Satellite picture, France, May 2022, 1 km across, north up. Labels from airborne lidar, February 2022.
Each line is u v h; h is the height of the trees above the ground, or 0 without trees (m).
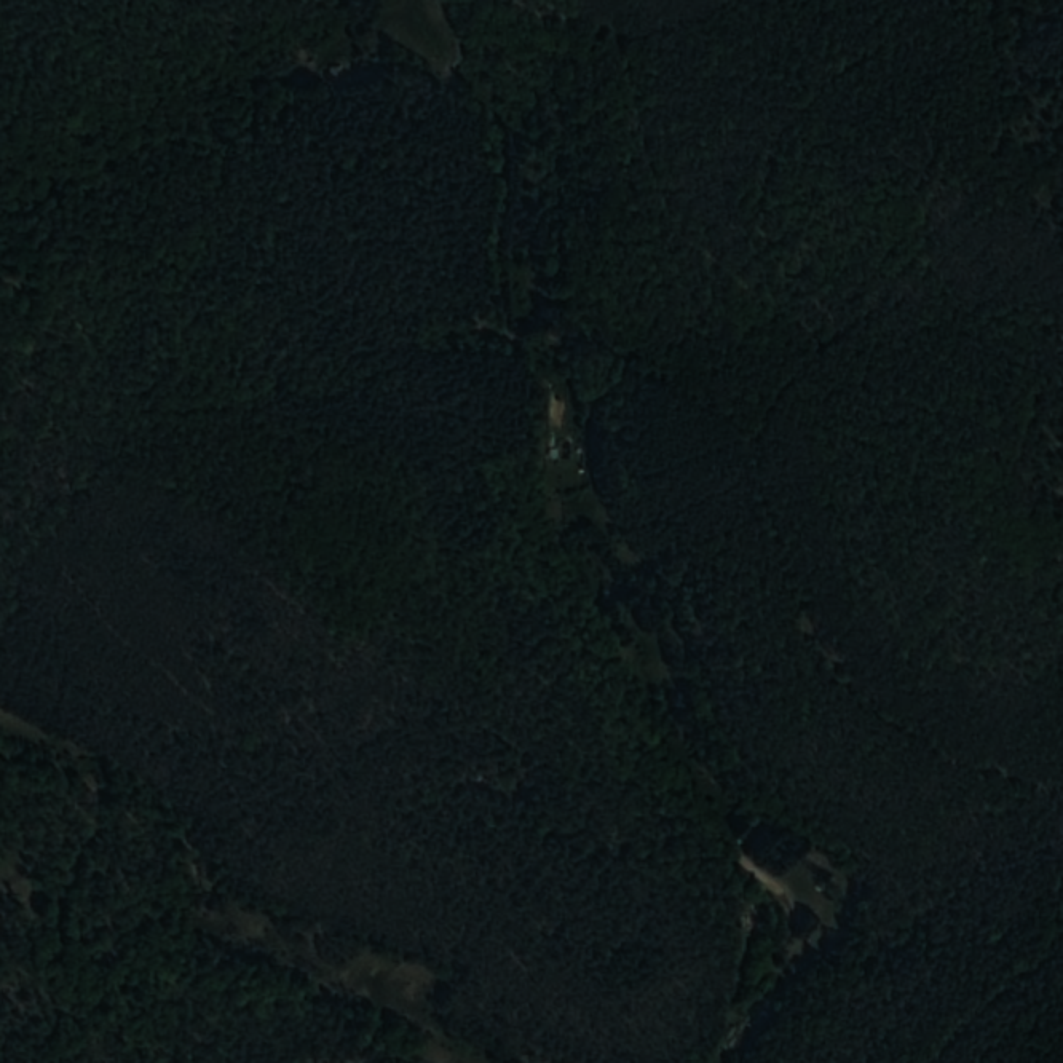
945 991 25
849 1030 25
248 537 26
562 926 29
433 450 28
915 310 26
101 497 23
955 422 19
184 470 23
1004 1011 24
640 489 27
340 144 27
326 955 13
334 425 26
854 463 21
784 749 27
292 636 19
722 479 29
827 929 0
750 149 25
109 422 27
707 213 21
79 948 26
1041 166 18
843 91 22
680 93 23
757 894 23
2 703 23
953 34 25
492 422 26
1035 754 15
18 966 26
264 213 31
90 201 32
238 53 32
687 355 27
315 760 22
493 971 23
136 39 28
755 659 24
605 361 20
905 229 18
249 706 17
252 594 23
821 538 21
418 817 26
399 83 23
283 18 30
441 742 32
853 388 25
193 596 18
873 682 19
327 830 24
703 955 25
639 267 22
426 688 29
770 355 28
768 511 18
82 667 17
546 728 27
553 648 30
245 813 13
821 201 17
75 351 25
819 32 22
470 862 25
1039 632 22
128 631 19
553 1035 25
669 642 26
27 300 22
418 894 25
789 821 31
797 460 21
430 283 31
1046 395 17
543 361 12
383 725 22
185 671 20
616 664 24
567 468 0
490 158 25
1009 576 25
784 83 25
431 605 27
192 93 30
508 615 30
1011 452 12
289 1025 27
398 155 27
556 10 21
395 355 27
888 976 29
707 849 28
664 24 21
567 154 17
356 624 24
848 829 29
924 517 28
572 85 22
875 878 26
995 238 16
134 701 18
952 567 27
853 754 20
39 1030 22
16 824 26
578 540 15
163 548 18
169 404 26
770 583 24
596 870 24
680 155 22
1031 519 18
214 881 26
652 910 26
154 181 30
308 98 30
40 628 19
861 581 25
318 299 28
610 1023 22
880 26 24
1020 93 21
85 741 24
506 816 33
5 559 22
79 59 26
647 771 28
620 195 27
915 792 24
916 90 22
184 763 19
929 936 30
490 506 27
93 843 24
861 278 21
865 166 24
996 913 25
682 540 30
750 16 21
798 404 23
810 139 18
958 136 19
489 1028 25
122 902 28
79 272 26
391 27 0
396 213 30
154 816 10
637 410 26
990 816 24
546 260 26
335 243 32
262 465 26
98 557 17
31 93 26
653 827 27
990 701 19
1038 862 24
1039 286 17
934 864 28
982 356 23
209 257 30
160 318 28
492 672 26
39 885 25
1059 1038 30
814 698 22
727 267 22
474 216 31
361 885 21
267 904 24
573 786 31
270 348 31
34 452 26
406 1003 0
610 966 31
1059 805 24
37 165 35
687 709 33
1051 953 22
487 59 22
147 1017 25
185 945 29
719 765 32
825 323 21
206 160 29
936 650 20
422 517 29
